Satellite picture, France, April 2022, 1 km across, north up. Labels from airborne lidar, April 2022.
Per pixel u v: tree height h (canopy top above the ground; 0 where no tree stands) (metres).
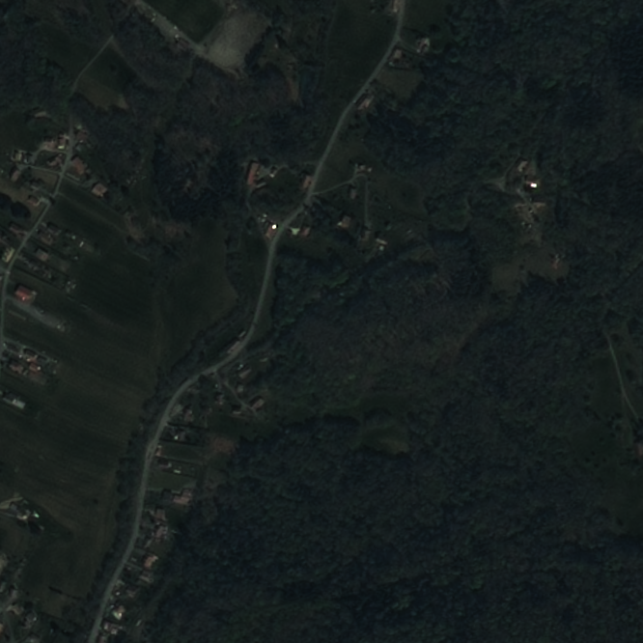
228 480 8
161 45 22
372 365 30
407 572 28
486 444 22
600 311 20
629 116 25
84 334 0
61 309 0
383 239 0
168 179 29
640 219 17
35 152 0
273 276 0
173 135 21
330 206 6
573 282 7
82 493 0
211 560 28
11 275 0
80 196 0
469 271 23
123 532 16
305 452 23
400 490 24
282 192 10
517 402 28
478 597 32
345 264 24
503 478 21
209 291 0
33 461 0
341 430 24
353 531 22
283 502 23
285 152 24
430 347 29
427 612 31
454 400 20
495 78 28
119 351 0
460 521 33
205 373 0
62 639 0
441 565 32
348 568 20
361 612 12
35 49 27
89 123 23
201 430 10
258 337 0
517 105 6
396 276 24
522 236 0
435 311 17
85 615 15
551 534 30
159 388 8
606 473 0
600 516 25
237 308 9
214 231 0
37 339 0
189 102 22
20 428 0
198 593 17
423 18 0
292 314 29
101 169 0
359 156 0
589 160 23
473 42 20
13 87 22
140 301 0
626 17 23
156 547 0
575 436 0
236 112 22
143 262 0
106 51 0
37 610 0
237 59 0
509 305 7
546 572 35
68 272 0
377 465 22
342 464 23
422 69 7
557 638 33
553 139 21
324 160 0
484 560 39
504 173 14
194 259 0
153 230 0
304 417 0
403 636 29
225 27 0
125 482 18
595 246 23
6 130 0
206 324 0
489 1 11
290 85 31
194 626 27
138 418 0
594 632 34
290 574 27
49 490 0
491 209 13
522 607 33
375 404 0
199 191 13
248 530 26
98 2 0
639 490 0
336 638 24
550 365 27
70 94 18
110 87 0
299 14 8
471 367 29
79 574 0
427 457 30
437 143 28
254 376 0
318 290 25
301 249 0
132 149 25
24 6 25
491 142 25
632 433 0
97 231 0
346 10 0
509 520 35
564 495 34
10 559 7
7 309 0
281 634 17
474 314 29
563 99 16
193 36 0
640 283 19
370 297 26
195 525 20
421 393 20
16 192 0
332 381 28
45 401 0
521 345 27
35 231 0
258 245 0
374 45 0
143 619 0
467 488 26
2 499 0
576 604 27
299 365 21
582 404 20
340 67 0
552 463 30
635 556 36
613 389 0
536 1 19
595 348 16
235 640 18
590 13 23
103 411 0
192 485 0
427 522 19
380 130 24
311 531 23
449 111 12
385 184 0
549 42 34
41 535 0
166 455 0
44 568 0
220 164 17
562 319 23
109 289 0
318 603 23
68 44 0
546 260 0
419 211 0
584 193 14
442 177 24
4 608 0
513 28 20
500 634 34
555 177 20
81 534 0
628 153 27
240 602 25
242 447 7
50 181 0
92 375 0
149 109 23
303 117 27
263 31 0
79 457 0
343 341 22
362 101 0
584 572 31
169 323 0
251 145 18
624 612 35
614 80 27
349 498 27
